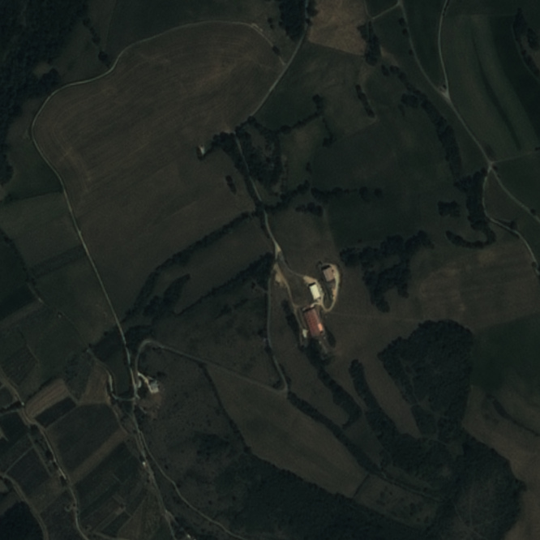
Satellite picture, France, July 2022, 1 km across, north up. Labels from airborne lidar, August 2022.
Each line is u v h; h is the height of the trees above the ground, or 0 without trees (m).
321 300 0
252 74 0
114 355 0
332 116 0
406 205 0
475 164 0
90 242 0
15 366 0
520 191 0
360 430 0
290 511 6
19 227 0
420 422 8
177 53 0
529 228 0
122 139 0
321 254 0
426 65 0
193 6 0
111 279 0
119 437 0
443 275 0
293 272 0
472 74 0
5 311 0
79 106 0
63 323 0
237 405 0
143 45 0
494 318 0
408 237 0
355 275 0
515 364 0
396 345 11
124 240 0
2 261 0
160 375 11
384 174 0
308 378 0
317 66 0
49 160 0
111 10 0
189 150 0
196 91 0
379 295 14
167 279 0
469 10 0
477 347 0
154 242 0
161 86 0
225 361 0
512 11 0
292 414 0
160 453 0
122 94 0
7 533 23
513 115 0
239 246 0
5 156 12
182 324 0
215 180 0
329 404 0
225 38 0
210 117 0
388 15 0
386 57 0
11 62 18
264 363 0
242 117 0
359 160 0
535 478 0
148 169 0
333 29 0
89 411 0
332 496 8
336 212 0
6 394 0
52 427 0
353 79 0
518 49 0
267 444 0
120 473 0
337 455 0
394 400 0
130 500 0
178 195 0
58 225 0
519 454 0
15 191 0
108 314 0
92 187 0
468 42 0
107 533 0
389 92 0
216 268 0
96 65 0
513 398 0
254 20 0
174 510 0
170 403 0
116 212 0
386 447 6
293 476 12
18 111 17
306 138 0
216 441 9
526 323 0
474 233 0
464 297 0
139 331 10
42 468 0
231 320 0
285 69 0
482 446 8
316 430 0
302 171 0
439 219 0
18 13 10
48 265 0
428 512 0
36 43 20
